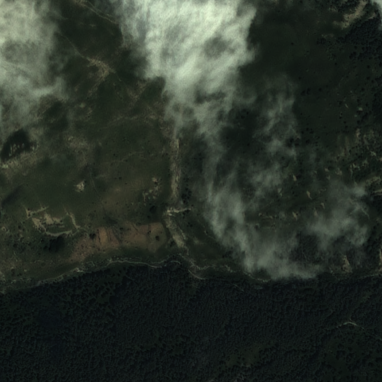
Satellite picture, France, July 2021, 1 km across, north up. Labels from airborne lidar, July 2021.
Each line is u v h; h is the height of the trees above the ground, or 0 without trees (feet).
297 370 32
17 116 0
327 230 0
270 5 0
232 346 72
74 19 0
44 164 0
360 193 18
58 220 0
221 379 43
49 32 0
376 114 51
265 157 0
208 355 65
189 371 79
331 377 0
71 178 0
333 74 0
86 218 0
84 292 35
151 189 0
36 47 0
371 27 62
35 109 0
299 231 26
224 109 0
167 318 89
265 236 0
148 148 0
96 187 0
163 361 53
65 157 0
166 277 77
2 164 0
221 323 88
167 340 80
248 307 101
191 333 89
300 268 25
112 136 0
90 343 95
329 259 56
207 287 42
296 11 0
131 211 0
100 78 0
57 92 0
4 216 0
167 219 0
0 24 0
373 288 46
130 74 0
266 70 0
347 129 24
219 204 0
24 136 0
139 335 92
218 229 0
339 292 96
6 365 51
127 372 94
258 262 60
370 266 61
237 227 0
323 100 0
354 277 29
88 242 0
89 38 0
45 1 0
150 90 0
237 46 0
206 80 0
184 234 0
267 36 0
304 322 94
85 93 0
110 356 65
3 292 0
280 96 0
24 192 0
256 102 0
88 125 0
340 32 0
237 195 0
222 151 0
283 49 0
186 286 28
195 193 0
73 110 0
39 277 0
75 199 0
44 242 29
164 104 0
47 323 23
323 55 0
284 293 90
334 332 60
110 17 0
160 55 0
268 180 0
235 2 0
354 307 70
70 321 88
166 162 0
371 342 52
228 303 75
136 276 60
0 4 0
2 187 0
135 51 0
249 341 73
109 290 54
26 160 0
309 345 52
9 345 71
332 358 0
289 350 46
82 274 0
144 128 0
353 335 28
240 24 0
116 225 0
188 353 65
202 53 25
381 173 21
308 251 60
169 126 0
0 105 0
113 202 0
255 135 0
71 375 53
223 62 0
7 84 0
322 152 0
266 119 0
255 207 0
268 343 46
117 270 0
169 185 0
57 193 0
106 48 0
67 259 0
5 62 0
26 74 0
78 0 0
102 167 0
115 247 0
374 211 0
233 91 0
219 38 0
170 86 0
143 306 92
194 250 0
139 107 0
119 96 0
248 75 0
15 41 0
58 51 0
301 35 0
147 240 0
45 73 0
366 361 73
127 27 0
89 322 89
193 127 0
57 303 78
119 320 96
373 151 30
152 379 70
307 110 0
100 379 67
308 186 0
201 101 0
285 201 0
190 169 0
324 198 0
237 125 0
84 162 0
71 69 0
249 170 0
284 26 0
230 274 0
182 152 0
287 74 0
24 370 52
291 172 0
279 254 47
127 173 0
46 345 61
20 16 0
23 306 36
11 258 0
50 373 63
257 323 100
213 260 0
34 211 0
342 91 0
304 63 0
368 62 0
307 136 0
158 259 0
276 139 40
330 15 0
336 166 0
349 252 47
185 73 0
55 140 0
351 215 24
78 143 0
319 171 0
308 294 77
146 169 0
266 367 87
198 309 96
